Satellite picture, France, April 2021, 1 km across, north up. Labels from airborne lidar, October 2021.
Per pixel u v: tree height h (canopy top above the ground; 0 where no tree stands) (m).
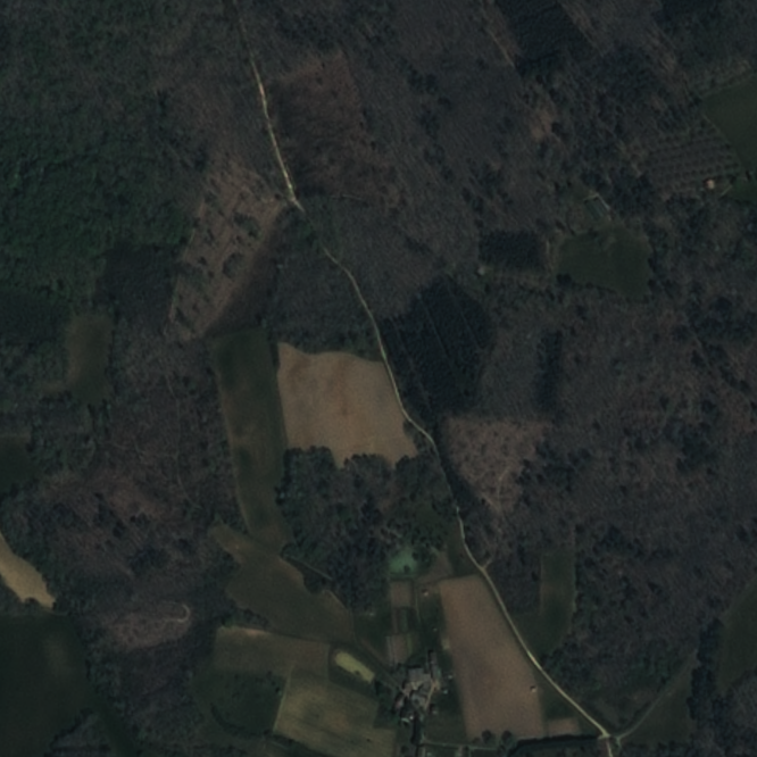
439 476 11
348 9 19
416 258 16
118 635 0
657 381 8
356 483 12
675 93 22
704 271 15
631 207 34
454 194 19
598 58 16
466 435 0
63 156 21
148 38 16
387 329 17
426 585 0
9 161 26
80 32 15
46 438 17
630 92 24
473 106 16
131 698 7
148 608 12
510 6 20
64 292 25
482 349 16
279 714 0
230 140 18
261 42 14
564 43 19
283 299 12
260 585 0
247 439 0
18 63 17
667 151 11
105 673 6
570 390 14
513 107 12
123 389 16
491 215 15
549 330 13
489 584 0
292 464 21
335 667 0
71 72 19
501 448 0
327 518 14
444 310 19
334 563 13
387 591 15
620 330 12
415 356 17
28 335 20
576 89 23
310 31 18
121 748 0
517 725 0
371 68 19
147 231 28
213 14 25
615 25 16
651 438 13
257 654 0
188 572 13
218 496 8
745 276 16
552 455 14
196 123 15
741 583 10
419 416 13
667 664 7
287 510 17
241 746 0
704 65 18
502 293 17
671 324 10
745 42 16
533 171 18
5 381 18
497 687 0
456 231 16
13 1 18
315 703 0
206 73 22
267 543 0
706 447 20
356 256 17
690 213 21
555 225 16
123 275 7
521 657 0
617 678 12
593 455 18
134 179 22
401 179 20
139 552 15
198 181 16
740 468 16
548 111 21
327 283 14
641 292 0
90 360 0
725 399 7
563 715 0
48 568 17
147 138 17
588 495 14
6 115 22
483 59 12
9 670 0
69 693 0
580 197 0
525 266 16
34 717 0
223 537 0
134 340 13
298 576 0
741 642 0
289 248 10
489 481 0
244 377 0
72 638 0
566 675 20
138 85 21
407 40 15
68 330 20
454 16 15
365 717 0
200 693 0
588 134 24
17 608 17
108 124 22
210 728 0
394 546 11
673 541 15
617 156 26
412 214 20
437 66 15
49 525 18
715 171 8
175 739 8
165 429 8
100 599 15
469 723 0
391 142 18
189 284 21
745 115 0
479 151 15
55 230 21
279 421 0
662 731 0
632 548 18
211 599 16
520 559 6
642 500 12
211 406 18
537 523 15
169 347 14
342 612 0
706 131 12
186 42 12
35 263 23
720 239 22
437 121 21
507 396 18
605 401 13
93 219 23
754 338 29
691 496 16
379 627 0
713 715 17
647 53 17
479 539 15
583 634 11
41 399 21
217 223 19
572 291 26
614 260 0
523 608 6
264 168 17
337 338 11
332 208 28
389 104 19
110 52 17
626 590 9
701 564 15
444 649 0
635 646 6
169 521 6
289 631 0
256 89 15
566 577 0
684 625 9
